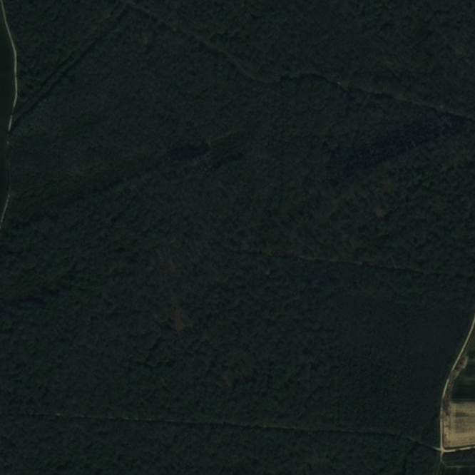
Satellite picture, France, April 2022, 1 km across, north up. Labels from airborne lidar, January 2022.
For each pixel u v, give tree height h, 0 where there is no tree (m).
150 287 24
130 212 25
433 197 24
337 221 27
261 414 22
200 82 23
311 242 21
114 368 23
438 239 23
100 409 23
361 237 24
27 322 28
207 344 25
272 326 25
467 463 0
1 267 22
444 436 0
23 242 26
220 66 22
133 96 18
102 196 27
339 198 26
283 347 25
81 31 24
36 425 23
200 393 23
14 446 25
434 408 12
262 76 21
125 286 25
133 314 20
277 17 26
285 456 23
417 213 28
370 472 23
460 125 18
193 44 21
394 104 21
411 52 26
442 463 0
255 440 26
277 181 18
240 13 21
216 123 23
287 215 18
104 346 24
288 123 24
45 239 26
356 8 23
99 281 25
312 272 18
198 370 24
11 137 19
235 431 19
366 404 15
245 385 20
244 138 12
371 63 25
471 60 24
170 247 22
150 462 26
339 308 13
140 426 22
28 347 26
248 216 28
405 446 25
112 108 22
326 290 23
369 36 21
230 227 22
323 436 24
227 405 19
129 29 24
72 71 20
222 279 19
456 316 14
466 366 0
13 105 0
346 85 0
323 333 22
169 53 24
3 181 0
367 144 23
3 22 0
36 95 22
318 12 22
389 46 19
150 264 25
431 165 18
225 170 17
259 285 25
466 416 0
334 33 22
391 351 13
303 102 27
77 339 25
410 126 24
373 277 23
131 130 27
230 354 21
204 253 23
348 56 22
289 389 25
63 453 22
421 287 25
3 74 0
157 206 23
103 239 25
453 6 23
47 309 26
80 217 24
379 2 26
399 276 22
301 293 26
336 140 25
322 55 22
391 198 14
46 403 23
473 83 24
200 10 25
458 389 0
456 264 22
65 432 22
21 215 10
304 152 22
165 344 23
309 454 25
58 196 11
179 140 21
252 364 23
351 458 26
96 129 27
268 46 24
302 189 20
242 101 22
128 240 19
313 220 23
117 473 25
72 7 26
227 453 18
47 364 25
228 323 22
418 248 28
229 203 22
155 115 26
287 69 21
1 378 26
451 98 19
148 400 27
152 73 20
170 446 23
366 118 28
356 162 20
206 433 26
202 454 22
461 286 22
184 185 26
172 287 23
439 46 20
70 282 24
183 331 0
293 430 22
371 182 25
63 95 25
